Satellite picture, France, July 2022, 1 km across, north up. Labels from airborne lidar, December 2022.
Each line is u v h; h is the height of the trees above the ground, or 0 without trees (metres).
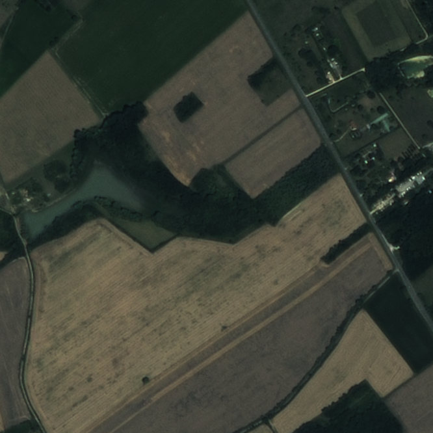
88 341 0
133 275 0
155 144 0
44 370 0
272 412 5
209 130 0
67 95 0
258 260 0
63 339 0
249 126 0
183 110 7
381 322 0
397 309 0
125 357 0
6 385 0
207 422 0
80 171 11
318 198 0
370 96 18
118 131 31
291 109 0
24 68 0
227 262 0
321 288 0
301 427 9
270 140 0
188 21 0
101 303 0
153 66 0
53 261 0
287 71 0
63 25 0
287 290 0
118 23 0
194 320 0
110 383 0
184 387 0
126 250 0
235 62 0
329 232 0
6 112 0
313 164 14
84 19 0
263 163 0
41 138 0
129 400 0
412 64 0
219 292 0
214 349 0
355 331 0
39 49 0
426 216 25
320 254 0
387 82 18
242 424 0
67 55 0
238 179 0
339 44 7
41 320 0
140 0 0
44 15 0
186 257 0
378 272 0
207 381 0
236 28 0
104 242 0
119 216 18
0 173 0
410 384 0
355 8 0
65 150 0
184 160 0
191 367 0
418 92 0
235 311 0
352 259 0
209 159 0
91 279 0
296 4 0
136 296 0
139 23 0
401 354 0
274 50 0
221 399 0
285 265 0
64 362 0
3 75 0
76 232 0
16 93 0
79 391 0
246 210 9
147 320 0
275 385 0
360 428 20
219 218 8
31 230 0
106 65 0
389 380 0
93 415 0
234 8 0
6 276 0
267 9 0
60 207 0
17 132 0
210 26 0
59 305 0
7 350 0
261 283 0
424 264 15
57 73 0
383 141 0
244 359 0
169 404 0
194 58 0
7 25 0
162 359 0
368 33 0
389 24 0
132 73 0
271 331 0
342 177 0
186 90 0
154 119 0
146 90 0
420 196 18
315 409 0
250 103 0
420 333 0
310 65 13
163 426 0
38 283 0
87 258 0
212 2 0
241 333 0
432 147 0
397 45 0
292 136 0
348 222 0
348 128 0
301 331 0
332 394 0
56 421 0
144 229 0
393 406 0
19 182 0
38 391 0
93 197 0
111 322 0
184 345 0
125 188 0
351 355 0
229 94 0
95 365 0
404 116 0
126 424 0
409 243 18
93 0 0
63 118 0
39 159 0
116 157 9
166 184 26
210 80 0
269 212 7
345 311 0
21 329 0
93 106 0
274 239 0
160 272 0
